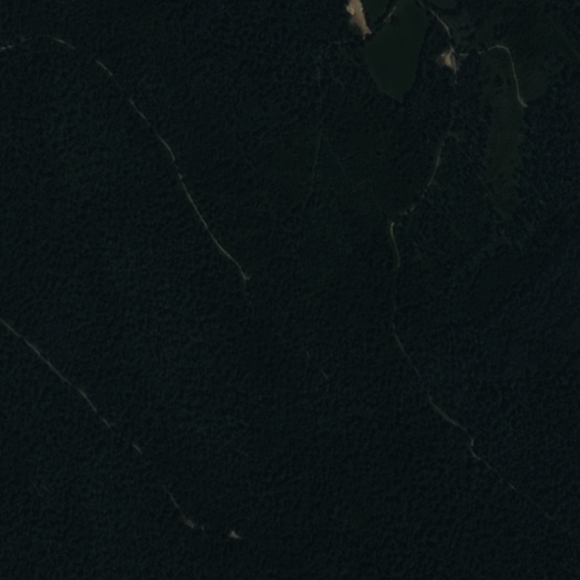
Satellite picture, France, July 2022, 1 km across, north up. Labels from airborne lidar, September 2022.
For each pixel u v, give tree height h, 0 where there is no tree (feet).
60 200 57
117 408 34
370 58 0
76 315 22
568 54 19
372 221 23
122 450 37
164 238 51
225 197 20
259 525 45
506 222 50
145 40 45
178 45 38
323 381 22
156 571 49
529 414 51
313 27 23
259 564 67
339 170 18
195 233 34
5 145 25
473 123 35
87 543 32
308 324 39
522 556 45
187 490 45
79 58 29
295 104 24
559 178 86
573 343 43
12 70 56
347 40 28
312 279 23
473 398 54
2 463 58
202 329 52
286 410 30
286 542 69
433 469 50
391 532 28
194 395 48
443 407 50
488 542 56
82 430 43
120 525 28
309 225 28
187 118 37
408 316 62
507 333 45
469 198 34
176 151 44
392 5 25
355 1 0
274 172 22
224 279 53
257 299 60
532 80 0
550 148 64
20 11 53
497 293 24
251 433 66
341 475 24
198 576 59
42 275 41
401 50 0
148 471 45
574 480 66
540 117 68
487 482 24
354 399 54
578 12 19
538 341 68
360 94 33
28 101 36
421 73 42
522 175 77
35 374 26
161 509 39
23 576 48
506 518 53
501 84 51
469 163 25
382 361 43
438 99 66
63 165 35
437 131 30
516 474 70
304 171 32
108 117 35
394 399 44
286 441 29
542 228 19
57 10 47
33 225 22
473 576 46
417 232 25
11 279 30
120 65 44
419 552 50
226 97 47
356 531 48
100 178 31
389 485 68
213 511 44
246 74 29
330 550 48
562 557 47
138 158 36
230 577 45
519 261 36
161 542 52
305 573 45
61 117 51
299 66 43
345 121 25
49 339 34
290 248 53
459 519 53
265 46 25
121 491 65
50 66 41
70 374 56
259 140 56
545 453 57
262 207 23
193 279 51
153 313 42
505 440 45
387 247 44
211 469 37
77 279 36
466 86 45
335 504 43
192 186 33
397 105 76
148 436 51
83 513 28
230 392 54
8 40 41
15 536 52
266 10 66
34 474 64
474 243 21
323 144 23
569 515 64
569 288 87
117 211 33
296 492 51
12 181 27
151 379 34
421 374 36
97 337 55
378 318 35
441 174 25
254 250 36
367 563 89
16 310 42
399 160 41
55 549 36
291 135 25
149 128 24
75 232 21
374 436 54
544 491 64
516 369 87
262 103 29
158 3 52
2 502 67
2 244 45
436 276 22
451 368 57
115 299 46
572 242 80
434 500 58
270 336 53
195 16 19
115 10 49
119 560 37
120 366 27
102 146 27
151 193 40
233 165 40
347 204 18
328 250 27
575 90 85
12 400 56
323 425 20
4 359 25
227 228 51
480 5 52
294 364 51
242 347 38
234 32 66
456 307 31
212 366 22
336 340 28
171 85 48
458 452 54
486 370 79
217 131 35
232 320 66
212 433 46
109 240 52
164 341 39
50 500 25
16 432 55
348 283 30
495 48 53
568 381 20
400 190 29
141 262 37
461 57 55
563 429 54
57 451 35
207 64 31
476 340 25
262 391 45
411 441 36
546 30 25
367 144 17
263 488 64
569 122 29
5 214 33
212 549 67
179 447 25
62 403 36
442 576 50
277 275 51
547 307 71
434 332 24
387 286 52
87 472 21
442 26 33
